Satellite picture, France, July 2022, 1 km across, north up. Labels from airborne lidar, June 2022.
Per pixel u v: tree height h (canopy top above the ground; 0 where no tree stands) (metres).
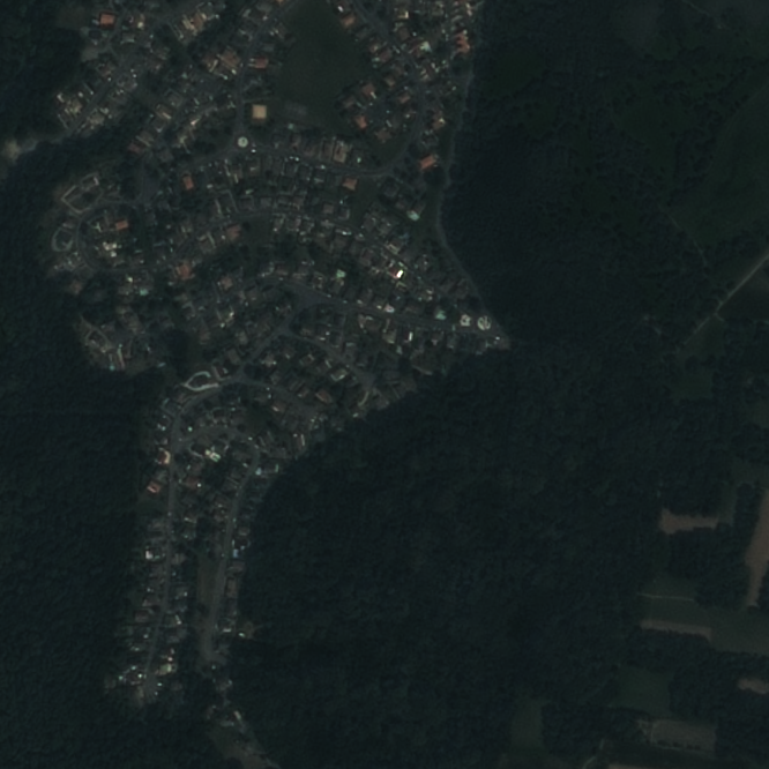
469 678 6
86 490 24
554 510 28
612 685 30
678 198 14
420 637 24
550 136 13
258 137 0
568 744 24
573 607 22
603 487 27
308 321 12
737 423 19
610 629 28
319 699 27
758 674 21
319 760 17
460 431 21
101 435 26
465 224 18
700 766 0
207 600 0
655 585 0
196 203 9
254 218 0
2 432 19
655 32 0
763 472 0
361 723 28
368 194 0
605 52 15
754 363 24
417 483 21
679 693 21
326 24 0
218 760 24
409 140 0
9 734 7
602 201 0
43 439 27
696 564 16
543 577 29
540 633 27
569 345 17
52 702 22
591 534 23
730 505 0
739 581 12
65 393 24
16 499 25
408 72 12
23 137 14
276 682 27
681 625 0
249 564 23
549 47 17
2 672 11
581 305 15
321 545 11
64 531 22
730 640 0
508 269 15
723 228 0
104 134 18
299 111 0
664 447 23
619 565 21
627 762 0
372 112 0
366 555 24
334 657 27
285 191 11
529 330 22
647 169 10
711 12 0
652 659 21
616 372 24
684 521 0
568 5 21
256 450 0
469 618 31
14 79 13
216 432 0
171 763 28
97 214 7
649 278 7
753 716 22
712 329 0
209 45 7
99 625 29
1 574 22
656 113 0
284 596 30
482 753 27
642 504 21
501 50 17
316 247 7
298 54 0
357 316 6
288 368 0
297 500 20
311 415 0
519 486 20
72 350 20
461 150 17
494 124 15
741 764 0
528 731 0
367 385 0
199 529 7
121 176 16
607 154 11
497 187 16
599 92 11
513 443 29
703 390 0
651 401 16
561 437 12
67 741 28
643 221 10
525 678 31
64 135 0
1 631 27
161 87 7
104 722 20
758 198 0
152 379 16
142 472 9
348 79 0
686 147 14
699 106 8
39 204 20
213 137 9
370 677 16
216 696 15
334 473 17
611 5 13
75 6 20
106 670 12
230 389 9
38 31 23
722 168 0
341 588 31
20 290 19
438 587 22
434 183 12
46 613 29
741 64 9
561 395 22
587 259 16
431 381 19
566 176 15
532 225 17
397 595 28
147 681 0
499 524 7
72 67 21
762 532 0
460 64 8
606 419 26
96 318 5
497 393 18
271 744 22
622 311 13
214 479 8
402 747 26
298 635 32
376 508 24
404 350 6
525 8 13
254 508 6
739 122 0
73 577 30
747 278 0
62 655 19
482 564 22
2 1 9
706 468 28
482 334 0
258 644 12
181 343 24
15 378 25
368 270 6
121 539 21
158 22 0
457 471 22
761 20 0
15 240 23
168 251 7
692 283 13
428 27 7
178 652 8
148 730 9
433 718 31
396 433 27
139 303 6
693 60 14
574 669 31
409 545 30
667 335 13
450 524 25
